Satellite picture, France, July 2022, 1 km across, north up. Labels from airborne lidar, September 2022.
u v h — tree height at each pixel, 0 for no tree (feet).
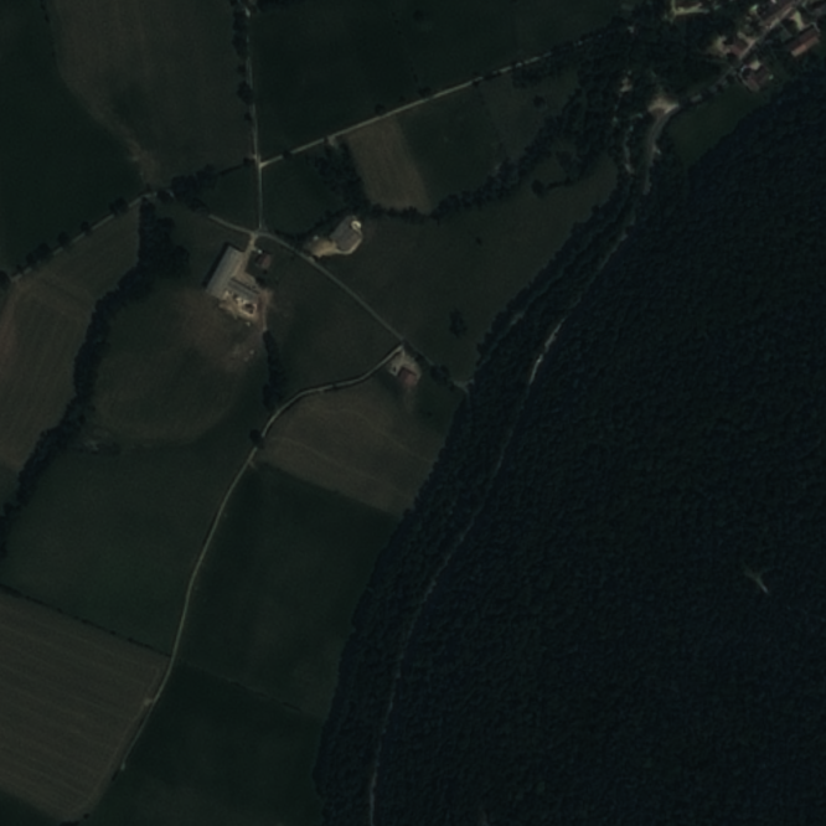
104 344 79
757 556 43
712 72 21
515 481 54
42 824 0
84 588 0
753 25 27
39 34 0
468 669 60
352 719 70
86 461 0
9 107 0
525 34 0
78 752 0
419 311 0
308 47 0
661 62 59
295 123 0
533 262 0
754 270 57
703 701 50
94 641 0
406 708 67
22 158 0
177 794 0
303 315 0
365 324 0
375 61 0
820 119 76
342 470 0
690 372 71
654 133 0
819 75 87
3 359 0
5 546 26
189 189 68
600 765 51
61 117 0
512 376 50
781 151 98
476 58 0
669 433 63
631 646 67
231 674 0
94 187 0
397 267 0
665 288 71
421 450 0
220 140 0
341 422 0
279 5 40
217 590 0
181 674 0
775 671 47
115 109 0
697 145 0
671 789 63
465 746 65
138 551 0
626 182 58
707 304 63
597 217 29
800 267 62
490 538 54
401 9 0
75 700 0
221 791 0
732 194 103
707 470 61
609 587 65
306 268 0
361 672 83
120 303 70
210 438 0
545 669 53
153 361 0
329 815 52
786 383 79
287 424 0
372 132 0
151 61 0
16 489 0
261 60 0
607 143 36
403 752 81
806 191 78
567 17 0
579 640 66
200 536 0
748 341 72
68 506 0
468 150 0
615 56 41
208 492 0
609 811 56
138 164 0
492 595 62
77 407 42
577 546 71
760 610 69
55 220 0
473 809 65
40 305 0
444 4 0
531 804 55
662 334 40
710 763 51
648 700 46
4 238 0
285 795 0
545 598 81
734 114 0
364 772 68
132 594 0
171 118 0
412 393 0
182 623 0
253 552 0
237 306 0
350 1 0
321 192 0
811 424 70
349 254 0
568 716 44
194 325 0
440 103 0
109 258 0
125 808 0
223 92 0
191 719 0
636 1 0
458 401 0
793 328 73
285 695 0
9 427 0
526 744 55
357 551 0
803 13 44
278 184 0
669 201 75
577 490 55
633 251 73
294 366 0
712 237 73
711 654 60
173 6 0
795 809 73
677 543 56
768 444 57
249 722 0
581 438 51
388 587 76
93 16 0
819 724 43
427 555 79
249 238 0
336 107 0
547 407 58
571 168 71
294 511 0
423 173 0
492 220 0
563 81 0
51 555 0
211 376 0
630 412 49
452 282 0
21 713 0
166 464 0
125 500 0
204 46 0
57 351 0
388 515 0
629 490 65
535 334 48
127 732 0
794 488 80
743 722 28
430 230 0
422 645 52
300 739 0
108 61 0
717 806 66
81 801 0
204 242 0
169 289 0
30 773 0
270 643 0
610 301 71
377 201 0
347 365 0
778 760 60
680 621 84
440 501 56
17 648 0
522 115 0
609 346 77
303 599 0
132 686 0
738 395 76
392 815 66
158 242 69
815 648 49
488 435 69
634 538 56
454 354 0
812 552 53
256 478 0
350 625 0
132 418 0
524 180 59
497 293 0
